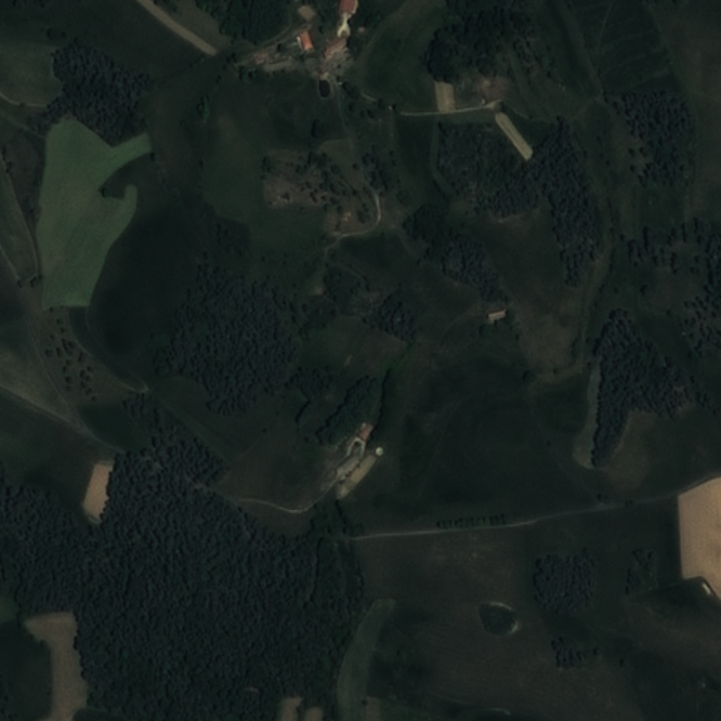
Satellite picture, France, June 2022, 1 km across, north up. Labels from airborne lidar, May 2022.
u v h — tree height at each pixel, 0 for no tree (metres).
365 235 0
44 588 16
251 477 0
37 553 16
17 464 0
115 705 14
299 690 19
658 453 0
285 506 0
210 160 0
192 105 0
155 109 0
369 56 0
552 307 0
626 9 0
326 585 18
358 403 22
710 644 0
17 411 0
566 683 0
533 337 0
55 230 0
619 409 16
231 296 13
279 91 0
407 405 0
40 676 0
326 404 0
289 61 0
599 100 0
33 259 0
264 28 22
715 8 0
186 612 17
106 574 19
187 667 17
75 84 8
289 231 0
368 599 6
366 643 0
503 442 0
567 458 0
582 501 0
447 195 13
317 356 0
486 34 22
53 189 0
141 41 0
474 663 0
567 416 0
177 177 0
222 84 10
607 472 0
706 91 0
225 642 17
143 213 0
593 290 0
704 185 0
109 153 0
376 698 0
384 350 0
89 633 10
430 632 0
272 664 16
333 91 0
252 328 12
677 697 0
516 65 0
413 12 0
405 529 0
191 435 0
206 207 0
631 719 0
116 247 0
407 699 0
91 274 0
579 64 0
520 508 0
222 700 18
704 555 0
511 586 0
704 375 0
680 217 0
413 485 0
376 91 0
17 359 0
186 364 8
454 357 0
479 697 0
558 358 0
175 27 0
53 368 0
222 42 0
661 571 0
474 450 0
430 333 0
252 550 20
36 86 0
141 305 0
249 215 0
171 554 14
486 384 0
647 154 13
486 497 0
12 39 0
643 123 14
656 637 0
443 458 0
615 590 0
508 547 0
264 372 19
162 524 21
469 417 0
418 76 0
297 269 0
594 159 0
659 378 14
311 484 0
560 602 16
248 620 15
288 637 22
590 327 0
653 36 0
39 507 14
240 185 0
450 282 0
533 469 0
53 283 0
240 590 20
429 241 13
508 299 13
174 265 0
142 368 0
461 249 12
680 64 0
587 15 0
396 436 0
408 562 0
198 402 0
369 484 0
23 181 0
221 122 0
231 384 19
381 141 0
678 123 8
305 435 0
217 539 12
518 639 0
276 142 0
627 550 0
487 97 0
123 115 14
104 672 19
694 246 0
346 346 0
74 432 0
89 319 0
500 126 0
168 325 0
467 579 0
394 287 0
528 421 0
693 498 0
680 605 0
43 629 0
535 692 0
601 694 0
